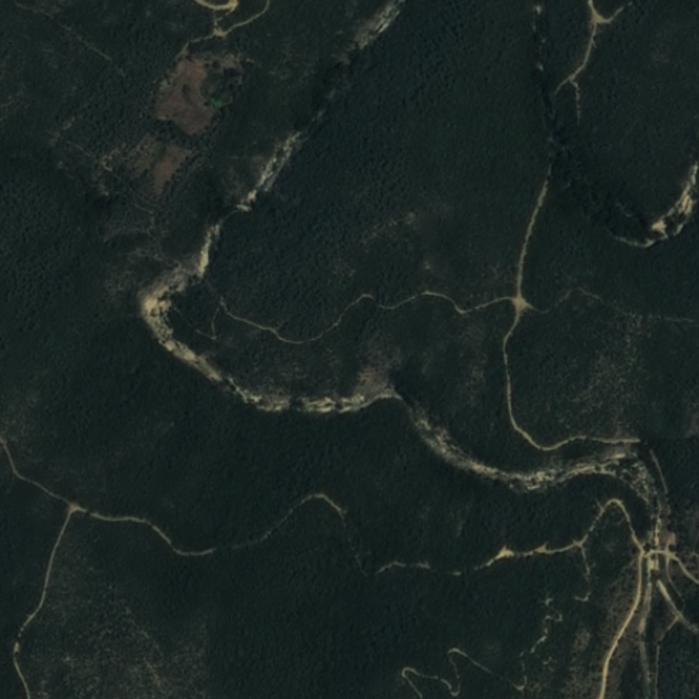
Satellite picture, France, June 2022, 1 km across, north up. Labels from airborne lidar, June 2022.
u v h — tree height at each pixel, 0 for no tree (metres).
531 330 6
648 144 7
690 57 6
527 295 6
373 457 12
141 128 12
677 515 11
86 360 10
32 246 10
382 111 6
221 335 12
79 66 5
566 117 9
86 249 11
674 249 13
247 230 7
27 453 5
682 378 7
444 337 6
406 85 6
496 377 7
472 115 8
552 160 23
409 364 7
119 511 6
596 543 7
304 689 8
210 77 0
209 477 7
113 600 8
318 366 8
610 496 9
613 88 13
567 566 6
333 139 8
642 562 0
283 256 13
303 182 6
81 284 8
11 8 6
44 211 13
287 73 6
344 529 10
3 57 9
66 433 7
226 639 8
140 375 11
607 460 0
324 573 6
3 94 7
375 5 8
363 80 6
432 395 8
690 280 8
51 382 6
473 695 9
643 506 5
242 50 10
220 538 10
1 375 6
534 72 9
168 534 12
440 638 10
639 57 6
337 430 10
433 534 6
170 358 10
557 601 9
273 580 9
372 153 6
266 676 7
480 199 9
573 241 15
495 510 13
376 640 11
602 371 5
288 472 12
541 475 0
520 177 10
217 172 6
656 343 6
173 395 9
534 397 6
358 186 6
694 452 6
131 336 7
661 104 7
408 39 7
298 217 9
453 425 8
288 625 10
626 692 8
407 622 7
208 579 6
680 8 11
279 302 13
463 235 7
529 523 6
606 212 15
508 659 7
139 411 7
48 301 16
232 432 10
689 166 8
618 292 7
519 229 6
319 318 14
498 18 7
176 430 8
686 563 6
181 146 7
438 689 6
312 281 7
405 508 6
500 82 8
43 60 7
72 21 6
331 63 11
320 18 8
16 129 6
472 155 9
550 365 12
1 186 5
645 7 16
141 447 8
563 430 7
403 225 14
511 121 9
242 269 7
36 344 9
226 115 13
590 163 13
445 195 8
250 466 9
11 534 8
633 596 5
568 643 7
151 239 5
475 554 9
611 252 10
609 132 6
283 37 6
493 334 6
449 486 12
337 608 9
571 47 12
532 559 12
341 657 7
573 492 7
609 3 6
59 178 9
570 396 11
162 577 7
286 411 7
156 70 11
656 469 7
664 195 7
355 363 6
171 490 7
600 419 10
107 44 7
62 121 12
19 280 16
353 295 7
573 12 8
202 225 8
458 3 15
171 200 13
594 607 7
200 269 0
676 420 9
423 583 12
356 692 7
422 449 8
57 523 6
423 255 9
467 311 8
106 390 11
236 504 11
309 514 6
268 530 7
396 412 5
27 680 6
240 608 6
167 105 0
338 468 8
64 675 6
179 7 11
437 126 6
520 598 7
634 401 7
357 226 11
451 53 14
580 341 6
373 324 8
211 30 11
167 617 7
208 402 11
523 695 6
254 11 6
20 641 9
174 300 8
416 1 10
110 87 14
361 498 6
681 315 6
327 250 18
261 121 7
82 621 8
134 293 8
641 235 13
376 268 6
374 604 12
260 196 17
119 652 6
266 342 6
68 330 6
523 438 7
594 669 8
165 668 6
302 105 12
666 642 7
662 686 6
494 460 6
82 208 10
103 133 12
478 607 8
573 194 18
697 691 7
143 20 7
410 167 6
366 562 12
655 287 7
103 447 8
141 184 15
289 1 6
